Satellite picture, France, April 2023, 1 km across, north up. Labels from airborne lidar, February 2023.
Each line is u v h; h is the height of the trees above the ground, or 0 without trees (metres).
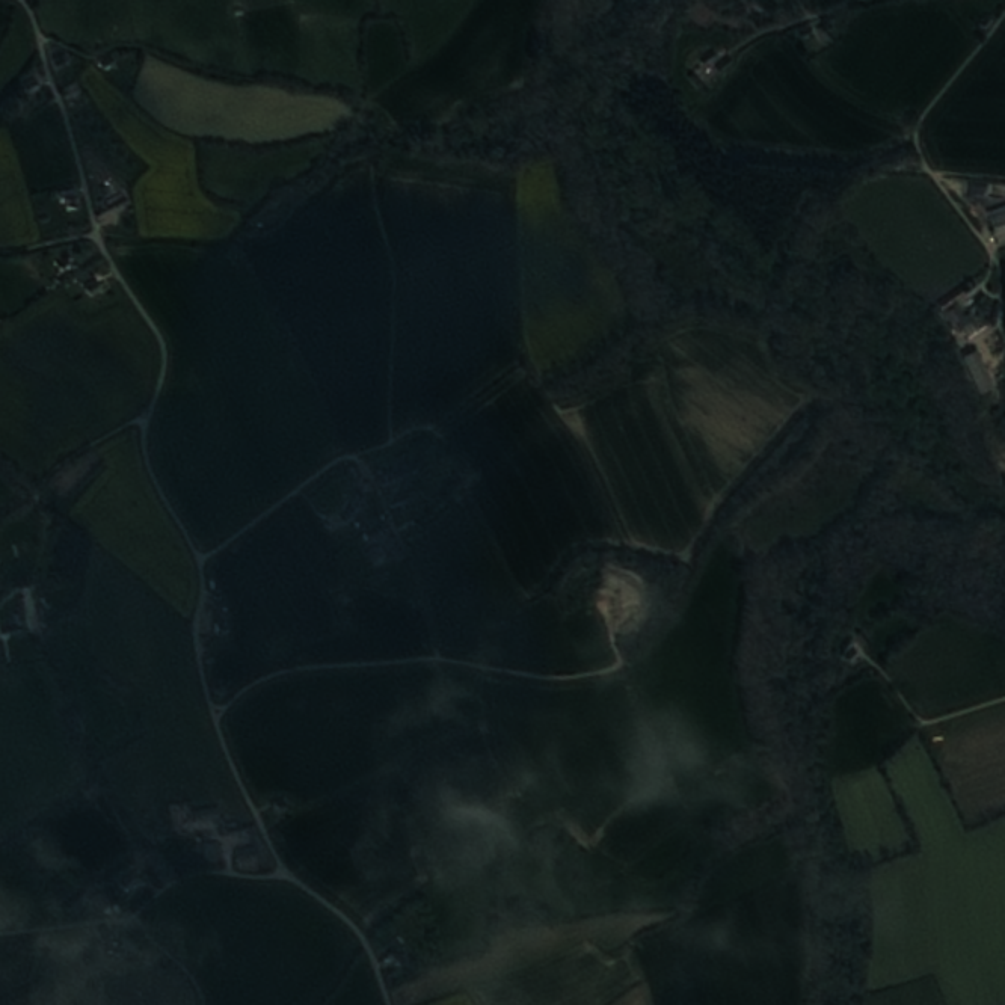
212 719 0
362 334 0
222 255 0
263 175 0
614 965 0
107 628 0
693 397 0
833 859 7
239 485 0
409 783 0
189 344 0
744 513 11
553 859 7
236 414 0
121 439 0
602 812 0
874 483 18
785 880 0
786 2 15
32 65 6
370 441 0
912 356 20
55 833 0
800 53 9
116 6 0
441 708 0
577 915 0
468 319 0
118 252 0
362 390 0
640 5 27
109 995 0
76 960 0
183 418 0
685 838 0
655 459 0
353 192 0
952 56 0
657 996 0
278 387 0
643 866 0
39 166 0
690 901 23
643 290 27
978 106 0
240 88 0
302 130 0
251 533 0
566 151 24
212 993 0
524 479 0
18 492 11
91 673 0
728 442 0
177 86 0
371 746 0
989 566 13
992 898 0
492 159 19
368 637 0
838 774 0
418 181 0
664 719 0
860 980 8
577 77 26
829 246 7
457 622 0
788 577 20
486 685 0
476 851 0
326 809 0
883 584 0
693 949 0
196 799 0
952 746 0
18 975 0
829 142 0
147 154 0
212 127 0
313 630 0
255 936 0
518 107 18
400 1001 0
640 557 8
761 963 0
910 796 0
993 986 0
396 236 0
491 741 0
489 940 7
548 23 16
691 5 10
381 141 16
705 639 0
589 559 13
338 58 0
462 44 0
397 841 0
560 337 0
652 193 30
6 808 0
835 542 18
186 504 0
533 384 12
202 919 0
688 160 23
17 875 0
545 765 0
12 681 0
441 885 0
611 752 0
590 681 0
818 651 17
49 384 0
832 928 13
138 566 0
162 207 0
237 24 0
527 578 0
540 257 0
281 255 0
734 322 21
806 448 20
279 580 0
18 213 0
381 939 10
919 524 21
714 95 0
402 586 0
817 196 18
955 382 16
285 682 0
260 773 0
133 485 0
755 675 17
